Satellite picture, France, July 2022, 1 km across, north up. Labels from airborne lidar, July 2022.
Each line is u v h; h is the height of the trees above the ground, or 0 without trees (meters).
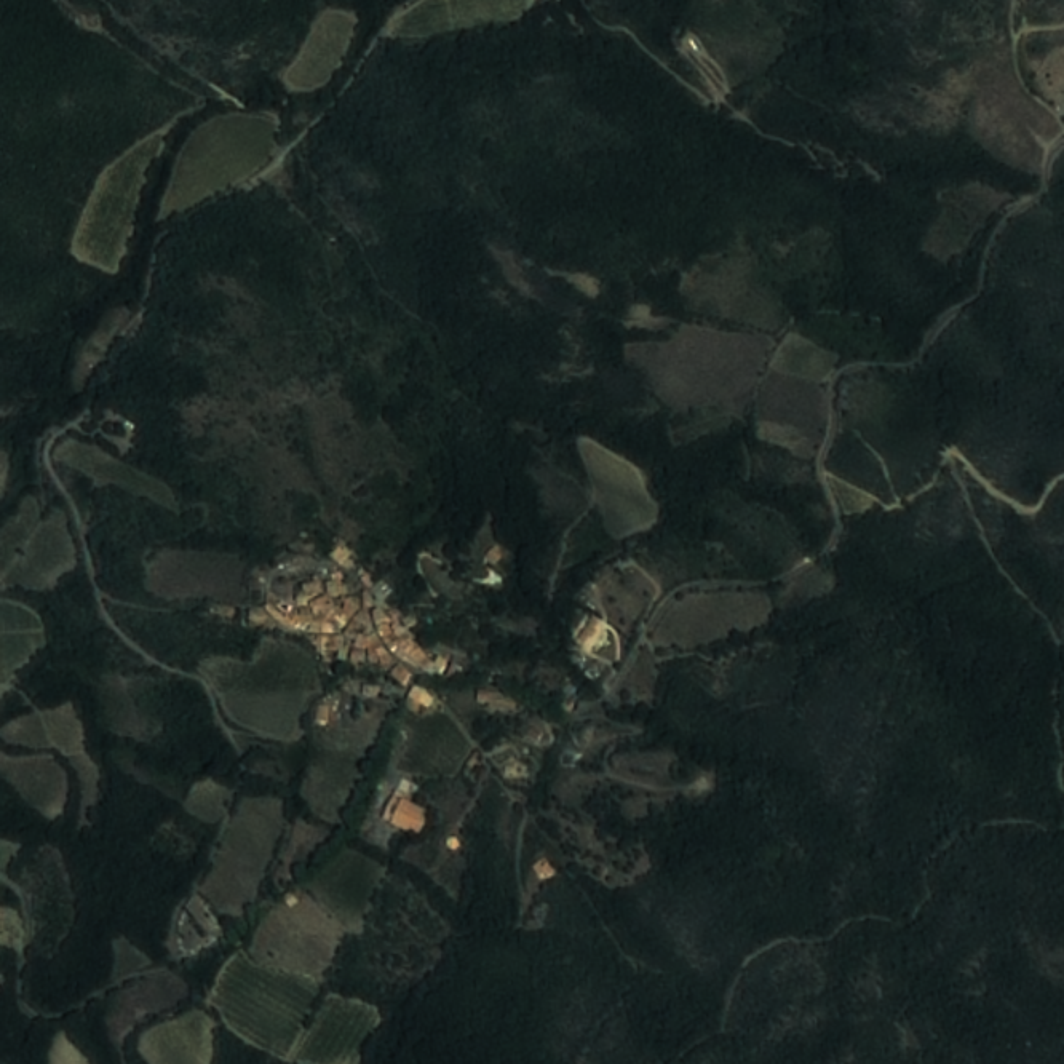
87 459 0
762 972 0
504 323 8
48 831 10
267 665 0
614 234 8
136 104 7
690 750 7
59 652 11
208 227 9
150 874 10
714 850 10
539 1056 7
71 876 7
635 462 8
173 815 13
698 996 8
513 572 7
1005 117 0
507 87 7
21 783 0
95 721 12
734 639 12
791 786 7
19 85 9
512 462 12
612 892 7
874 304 12
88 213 0
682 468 16
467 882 11
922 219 6
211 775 7
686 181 8
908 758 6
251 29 8
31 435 10
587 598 0
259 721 0
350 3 6
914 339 10
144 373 10
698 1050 6
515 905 10
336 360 6
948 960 6
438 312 11
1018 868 6
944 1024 8
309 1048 0
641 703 7
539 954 8
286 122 10
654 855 7
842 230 7
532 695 16
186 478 6
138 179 0
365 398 7
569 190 7
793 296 9
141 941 11
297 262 10
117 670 7
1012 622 12
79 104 6
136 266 11
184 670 8
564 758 0
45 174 10
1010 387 6
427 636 17
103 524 6
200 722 8
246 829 0
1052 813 12
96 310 7
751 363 0
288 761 0
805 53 7
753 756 12
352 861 0
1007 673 11
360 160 6
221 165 0
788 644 13
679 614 0
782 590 8
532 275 7
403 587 10
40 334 6
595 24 8
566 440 12
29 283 7
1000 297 8
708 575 8
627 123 6
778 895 6
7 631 0
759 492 5
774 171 9
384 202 10
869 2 6
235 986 0
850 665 7
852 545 7
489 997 7
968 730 6
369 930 6
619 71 9
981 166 13
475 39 11
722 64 0
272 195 6
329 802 0
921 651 7
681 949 0
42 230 7
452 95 6
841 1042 7
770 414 0
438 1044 14
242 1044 7
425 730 0
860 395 0
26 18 14
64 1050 0
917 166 14
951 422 8
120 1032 0
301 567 0
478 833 6
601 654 0
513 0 0
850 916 6
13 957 15
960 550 7
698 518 7
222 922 12
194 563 0
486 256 7
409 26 0
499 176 7
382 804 0
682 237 8
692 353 0
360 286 9
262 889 7
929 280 10
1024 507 0
